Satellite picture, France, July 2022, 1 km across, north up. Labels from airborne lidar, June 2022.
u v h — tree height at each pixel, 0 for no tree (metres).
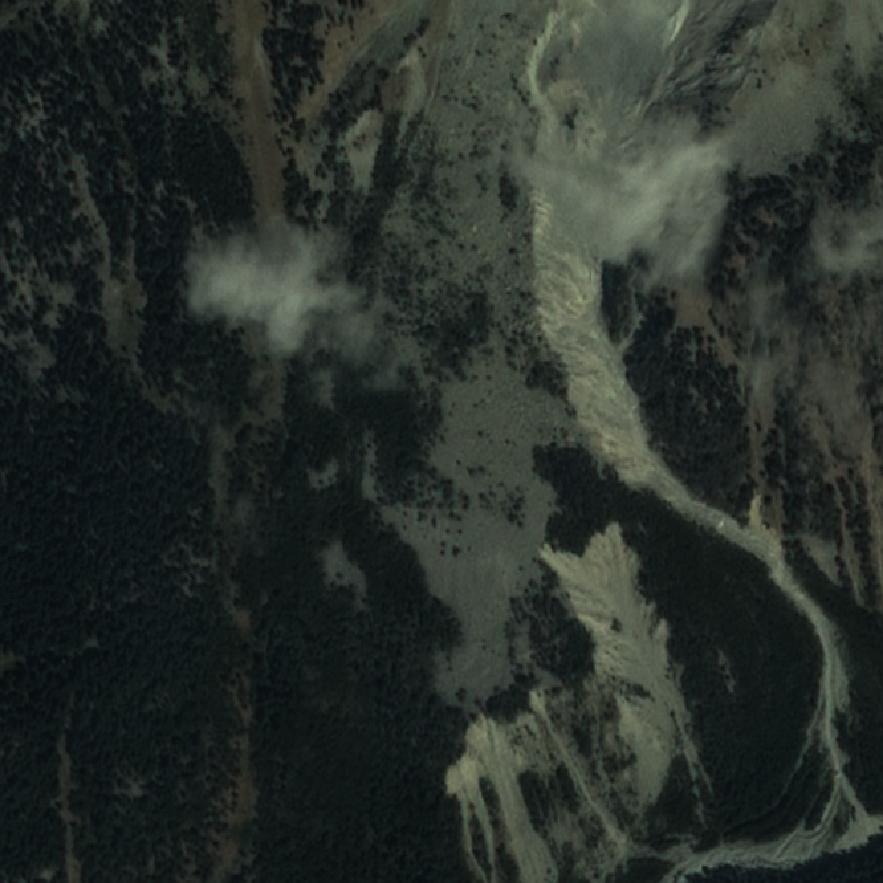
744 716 14
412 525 0
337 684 15
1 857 25
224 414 25
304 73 16
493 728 0
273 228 0
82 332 11
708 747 12
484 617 0
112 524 28
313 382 7
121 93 29
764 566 9
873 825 0
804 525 11
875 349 9
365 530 14
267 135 0
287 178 12
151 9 25
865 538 12
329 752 15
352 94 7
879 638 9
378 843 12
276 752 21
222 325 13
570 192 0
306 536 13
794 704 14
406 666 15
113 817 13
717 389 15
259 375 0
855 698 9
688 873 0
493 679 0
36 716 28
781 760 12
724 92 0
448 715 16
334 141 11
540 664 8
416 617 23
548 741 0
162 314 15
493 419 0
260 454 8
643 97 0
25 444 31
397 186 11
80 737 31
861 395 19
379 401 13
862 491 11
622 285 8
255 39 0
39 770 17
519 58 0
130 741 20
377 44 0
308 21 11
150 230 21
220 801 7
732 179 12
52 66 24
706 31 0
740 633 10
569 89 0
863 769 7
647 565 10
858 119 0
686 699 9
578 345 0
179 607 18
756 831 10
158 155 28
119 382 8
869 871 18
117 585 26
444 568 0
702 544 9
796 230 10
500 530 0
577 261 0
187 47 10
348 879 23
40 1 0
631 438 0
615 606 0
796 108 0
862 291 6
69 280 8
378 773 17
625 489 10
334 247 9
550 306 0
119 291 0
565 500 11
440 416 8
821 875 22
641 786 0
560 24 0
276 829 16
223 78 8
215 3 7
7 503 32
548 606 8
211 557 9
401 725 18
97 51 23
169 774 17
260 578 15
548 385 9
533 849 0
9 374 25
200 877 10
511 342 7
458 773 0
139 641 20
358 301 8
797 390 8
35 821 17
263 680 15
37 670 34
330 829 18
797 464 10
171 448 27
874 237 14
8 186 25
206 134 12
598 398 0
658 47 0
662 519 11
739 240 14
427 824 20
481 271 7
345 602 14
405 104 0
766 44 0
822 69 0
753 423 0
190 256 17
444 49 0
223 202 13
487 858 7
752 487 11
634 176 0
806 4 0
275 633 16
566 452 10
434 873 26
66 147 15
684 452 10
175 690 23
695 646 14
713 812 11
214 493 17
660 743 0
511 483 0
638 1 0
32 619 32
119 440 7
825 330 9
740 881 22
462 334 8
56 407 12
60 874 9
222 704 13
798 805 9
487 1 0
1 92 28
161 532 26
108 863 17
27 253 10
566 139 0
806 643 10
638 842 6
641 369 8
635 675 0
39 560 29
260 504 12
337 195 11
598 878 7
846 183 11
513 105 0
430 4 0
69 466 7
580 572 0
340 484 8
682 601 17
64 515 16
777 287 10
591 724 6
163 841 21
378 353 7
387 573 13
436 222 7
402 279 8
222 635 16
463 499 6
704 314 0
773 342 12
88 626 17
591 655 11
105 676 20
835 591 8
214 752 10
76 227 20
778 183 16
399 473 12
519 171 7
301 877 12
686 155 8
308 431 14
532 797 17
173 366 13
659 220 11
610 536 0
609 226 0
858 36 0
